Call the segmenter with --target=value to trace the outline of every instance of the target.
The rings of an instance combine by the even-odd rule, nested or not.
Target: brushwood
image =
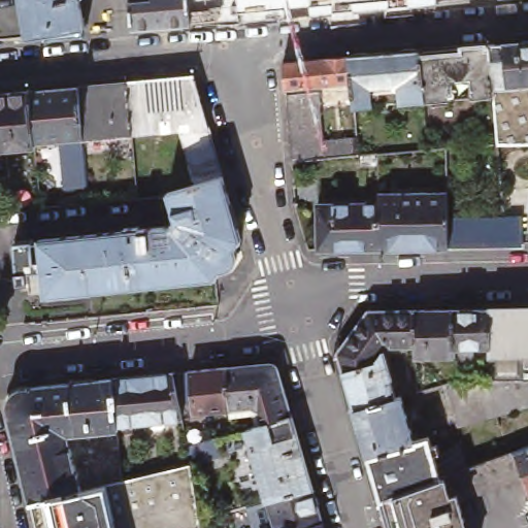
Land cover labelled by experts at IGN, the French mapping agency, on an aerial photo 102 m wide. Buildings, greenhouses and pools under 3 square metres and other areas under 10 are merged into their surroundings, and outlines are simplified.
[[[355,132],[353,140],[355,155],[371,155],[369,151],[375,144],[413,142],[425,126],[425,118],[431,116],[425,107],[402,107],[408,113],[408,122],[386,122],[386,113],[382,105],[371,107],[365,111],[357,111],[359,132]]]
[[[200,437],[208,441],[233,433],[245,433],[256,427],[252,419],[229,421],[210,417],[206,421],[184,421],[163,433],[153,433],[153,446],[153,458],[175,454],[179,458],[186,458],[190,443],[198,443]]]
[[[324,177],[336,173],[332,167],[324,163],[318,163],[309,169],[293,167],[295,188],[303,188],[309,184],[320,188]]]
[[[371,175],[384,177],[392,169],[404,167],[427,167],[433,175],[452,173],[452,163],[456,161],[456,155],[452,155],[452,146],[448,142],[435,149],[417,149],[404,153],[375,155],[377,167],[355,169],[359,186],[365,186]]]
[[[87,303],[83,299],[41,303],[37,297],[29,297],[23,303],[25,316],[56,316],[87,309]]]
[[[23,173],[27,177],[43,182],[47,188],[56,188],[54,175],[50,173],[50,165],[45,159],[41,159],[41,153],[33,151],[21,155],[25,161]]]
[[[441,386],[452,386],[456,394],[464,398],[468,390],[491,388],[495,380],[495,363],[487,361],[485,353],[462,357],[460,361],[439,361],[437,365],[413,363],[415,373],[423,384],[423,394],[439,394]]]
[[[509,169],[516,179],[528,179],[528,159],[520,159],[516,167]]]

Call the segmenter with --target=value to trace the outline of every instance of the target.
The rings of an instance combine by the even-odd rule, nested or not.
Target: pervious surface
[[[124,429],[122,433],[126,448],[132,439],[140,439],[146,441],[146,446],[153,446],[153,433],[151,429]]]

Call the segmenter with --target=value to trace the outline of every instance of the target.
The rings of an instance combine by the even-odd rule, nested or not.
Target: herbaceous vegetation
[[[456,468],[460,470],[470,470],[479,464],[512,454],[516,450],[528,448],[528,408],[509,410],[503,417],[487,419],[470,427],[468,431],[462,431],[456,437],[456,441],[448,448]]]
[[[87,184],[103,179],[142,177],[151,175],[155,169],[169,173],[175,149],[182,146],[177,134],[136,138],[130,144],[109,144],[105,153],[89,153],[87,146],[83,149]]]
[[[87,309],[116,307],[116,314],[134,314],[149,309],[217,305],[223,301],[225,293],[225,285],[219,281],[202,287],[83,299],[87,303]]]
[[[29,184],[27,177],[23,173],[25,161],[21,155],[0,157],[0,188],[10,198],[25,192]]]

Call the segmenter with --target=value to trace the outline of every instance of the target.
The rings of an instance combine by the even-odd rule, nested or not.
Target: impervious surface
[[[520,217],[528,237],[528,179],[516,179],[514,192],[509,196],[509,202],[514,206],[503,215],[505,217]]]
[[[450,184],[456,175],[452,173],[433,175],[427,167],[404,167],[392,169],[384,177],[371,175],[365,186],[359,186],[355,169],[377,167],[375,155],[404,153],[417,149],[417,144],[413,142],[375,144],[369,151],[371,155],[355,155],[328,159],[324,163],[332,167],[336,173],[324,177],[320,188],[309,184],[303,188],[295,188],[293,167],[309,169],[318,163],[314,159],[307,159],[295,163],[287,157],[287,140],[283,136],[283,103],[274,101],[274,93],[270,93],[268,89],[270,80],[285,78],[283,60],[332,60],[410,52],[427,56],[450,54],[466,45],[497,43],[522,43],[524,47],[528,47],[528,0],[472,0],[468,4],[458,6],[431,6],[406,12],[369,12],[361,14],[355,21],[314,19],[307,12],[305,17],[291,14],[291,21],[283,21],[281,17],[268,17],[264,21],[252,23],[217,21],[215,31],[210,33],[192,33],[184,39],[177,39],[169,35],[169,31],[179,31],[179,27],[153,29],[153,33],[140,33],[138,37],[134,33],[128,33],[128,0],[80,0],[80,39],[50,41],[45,37],[37,37],[33,29],[29,33],[19,33],[14,0],[0,0],[0,97],[17,97],[23,89],[39,91],[78,87],[80,99],[87,101],[87,89],[91,85],[130,83],[167,76],[194,76],[204,120],[210,132],[206,138],[215,146],[215,155],[219,159],[223,177],[223,190],[229,202],[233,227],[237,231],[237,245],[233,250],[233,256],[243,256],[241,264],[219,281],[225,285],[225,293],[223,301],[217,305],[149,309],[134,314],[116,314],[116,307],[87,309],[56,316],[25,316],[23,303],[29,297],[23,289],[12,289],[8,250],[14,243],[39,243],[45,239],[64,241],[70,237],[80,239],[89,235],[103,237],[134,227],[167,229],[169,219],[165,210],[165,196],[169,192],[177,192],[192,186],[186,149],[182,146],[175,149],[169,173],[155,169],[151,175],[142,177],[103,179],[87,184],[80,190],[60,190],[60,151],[43,149],[41,153],[41,159],[45,159],[50,165],[50,173],[54,175],[56,188],[47,188],[43,182],[27,177],[29,184],[25,192],[10,198],[12,208],[17,210],[10,217],[12,227],[0,229],[0,528],[43,528],[41,512],[27,514],[27,503],[19,499],[19,487],[23,485],[23,466],[19,464],[19,456],[12,450],[12,435],[8,429],[10,415],[6,408],[8,394],[12,390],[109,377],[118,377],[120,382],[155,375],[165,377],[167,373],[173,373],[173,382],[177,388],[184,384],[184,371],[188,369],[254,363],[272,363],[281,371],[283,386],[291,406],[289,410],[285,410],[285,417],[293,419],[297,427],[299,446],[311,483],[314,505],[322,516],[324,528],[402,528],[392,499],[382,499],[382,509],[375,509],[371,485],[361,456],[359,437],[355,433],[351,415],[347,413],[349,400],[342,386],[342,375],[334,373],[332,367],[326,367],[322,363],[322,355],[328,353],[332,342],[340,344],[349,336],[357,320],[367,309],[458,309],[460,314],[472,314],[474,309],[528,309],[528,241],[509,248],[443,248],[435,243],[435,250],[431,254],[390,254],[386,245],[377,245],[377,250],[363,248],[361,254],[344,254],[342,258],[326,258],[320,250],[307,250],[303,225],[311,217],[311,200],[316,198],[338,206],[347,206],[349,202],[363,202],[365,206],[371,206],[375,202],[377,192],[452,192]]]
[[[128,136],[89,140],[87,146],[89,153],[105,153],[109,144],[130,144],[136,138],[134,132],[130,132]]]
[[[390,113],[396,107],[396,99],[392,95],[375,95],[371,99],[371,107],[382,105],[386,113]]]
[[[262,501],[250,507],[233,507],[237,528],[260,528],[258,514],[264,509]]]
[[[495,140],[495,146],[505,151],[509,169],[516,167],[520,159],[528,159],[528,138],[526,142],[497,138]]]
[[[462,91],[454,95],[452,101],[441,99],[427,103],[425,107],[431,116],[450,120],[456,118],[460,111],[472,107],[479,101],[470,97],[466,91]]]
[[[499,384],[495,380],[491,388],[468,390],[464,398],[456,394],[452,386],[441,386],[439,394],[423,394],[423,384],[415,373],[413,363],[410,355],[394,351],[390,353],[386,365],[392,382],[392,392],[402,400],[413,441],[429,441],[429,446],[437,452],[437,474],[446,483],[448,495],[458,499],[464,528],[528,528],[528,503],[524,505],[520,501],[524,476],[518,472],[512,454],[479,464],[470,470],[460,470],[456,468],[448,448],[456,441],[456,437],[462,431],[468,431],[470,427],[487,419],[503,417],[509,410],[528,408],[528,388],[516,390],[514,386]]]
[[[347,105],[324,105],[318,109],[324,140],[353,140],[355,132],[359,132],[357,111],[351,111]]]

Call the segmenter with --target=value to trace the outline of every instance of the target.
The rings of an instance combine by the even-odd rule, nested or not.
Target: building
[[[528,448],[516,450],[512,454],[518,472],[524,476],[520,501],[524,505],[528,503]]]
[[[324,105],[347,105],[351,111],[357,111],[365,111],[371,107],[371,99],[375,95],[392,95],[396,99],[396,107],[402,107],[425,107],[427,103],[441,99],[452,101],[454,95],[462,91],[466,91],[470,97],[479,101],[472,107],[474,111],[491,118],[495,140],[497,138],[526,142],[528,138],[528,47],[524,47],[522,43],[497,43],[466,45],[450,54],[427,56],[410,52],[332,60],[283,60],[285,78],[270,80],[268,89],[270,93],[274,93],[274,101],[283,103],[283,136],[287,140],[287,157],[295,163],[307,159],[314,159],[318,163],[324,163],[328,159],[355,155],[353,140],[324,140],[318,109]]]
[[[285,410],[289,410],[291,406],[283,386],[281,371],[272,363],[254,363],[188,369],[184,371],[184,384],[177,388],[173,382],[173,373],[167,373],[165,377],[155,375],[120,382],[118,377],[109,377],[12,390],[8,394],[6,408],[10,415],[8,429],[12,435],[12,450],[19,456],[19,464],[23,466],[23,485],[19,487],[19,499],[27,503],[27,514],[41,512],[43,528],[200,528],[192,474],[202,474],[206,479],[208,495],[204,503],[210,509],[219,503],[229,503],[233,507],[250,507],[262,501],[264,509],[258,514],[260,528],[324,528],[322,516],[314,505],[311,483],[299,446],[297,427],[293,419],[285,417]],[[126,448],[122,433],[124,429],[151,429],[153,433],[163,433],[184,421],[206,421],[210,417],[229,421],[252,419],[256,427],[245,433],[233,433],[208,441],[200,437],[198,443],[190,443],[186,458],[179,458],[175,454],[153,458],[132,466],[124,466],[124,460],[128,458]]]
[[[413,441],[402,400],[392,392],[392,382],[386,365],[390,353],[394,351],[410,355],[413,363],[437,365],[439,361],[460,361],[462,357],[485,353],[487,361],[495,363],[495,380],[499,384],[514,386],[516,390],[528,388],[528,309],[474,309],[472,314],[460,314],[458,309],[367,309],[357,320],[349,336],[340,344],[332,342],[328,353],[322,355],[322,363],[326,367],[332,367],[334,373],[342,375],[342,386],[349,400],[347,413],[351,415],[355,433],[359,437],[361,456],[371,485],[375,509],[382,509],[382,499],[392,499],[402,528],[464,528],[458,499],[448,495],[446,483],[437,474],[437,452],[429,446],[429,441]]]
[[[37,37],[45,37],[50,41],[80,39],[80,0],[14,0],[19,33],[29,33],[33,29]]]
[[[386,245],[390,254],[431,254],[435,250],[435,243],[443,248],[509,248],[528,241],[528,237],[520,217],[505,217],[454,219],[456,204],[452,192],[377,192],[375,202],[371,206],[365,206],[363,202],[349,202],[347,206],[338,206],[316,198],[311,200],[311,217],[303,225],[307,250],[320,250],[326,258],[342,258],[344,254],[361,254],[363,248],[377,250],[377,245]]]
[[[87,89],[87,101],[80,99],[78,87],[39,91],[23,89],[17,97],[0,97],[0,157],[21,155],[33,151],[41,153],[43,149],[60,151],[60,190],[80,190],[87,184],[83,149],[87,146],[89,140],[128,136],[130,132],[134,132],[136,138],[177,134],[182,146],[186,149],[192,186],[177,192],[169,192],[165,196],[165,210],[169,219],[167,229],[134,227],[103,237],[89,235],[80,239],[70,237],[64,241],[45,239],[39,243],[14,243],[8,250],[12,289],[23,289],[29,297],[37,297],[41,303],[83,299],[202,287],[219,281],[241,264],[243,256],[233,256],[233,250],[237,245],[237,231],[233,227],[229,202],[223,190],[223,177],[219,159],[215,155],[215,146],[206,138],[210,132],[204,120],[194,76],[167,76],[130,83],[91,85]]]
[[[177,39],[184,39],[192,33],[210,33],[215,31],[217,21],[252,23],[264,21],[268,17],[281,17],[283,21],[291,21],[291,14],[305,17],[307,12],[314,19],[355,21],[361,14],[369,12],[406,12],[431,6],[458,6],[468,4],[472,0],[128,0],[128,33],[134,33],[138,37],[140,33],[153,33],[153,29],[179,27],[179,31],[169,31],[169,35]]]

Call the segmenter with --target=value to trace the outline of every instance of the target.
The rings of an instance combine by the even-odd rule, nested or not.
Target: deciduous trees
[[[202,474],[192,474],[200,528],[237,528],[233,507],[229,503],[219,503],[210,509],[204,503],[208,495],[206,479]]]
[[[452,163],[452,173],[456,175],[450,184],[452,192],[456,204],[454,219],[505,217],[503,215],[514,206],[509,202],[509,196],[514,192],[516,179],[509,169],[505,151],[495,146],[495,140],[491,118],[474,111],[472,107],[460,111],[456,118],[450,120],[431,116],[425,118],[425,126],[413,142],[417,144],[417,149],[435,149],[448,142],[452,146],[452,155],[456,155],[456,161]]]
[[[132,439],[126,448],[128,458],[124,460],[124,466],[132,466],[153,458],[153,446],[146,446],[146,441],[140,439]]]
[[[0,188],[0,229],[12,227],[10,217],[17,210],[12,208],[10,198]]]
[[[386,113],[386,122],[408,122],[408,113],[402,107],[396,107],[390,113]]]

